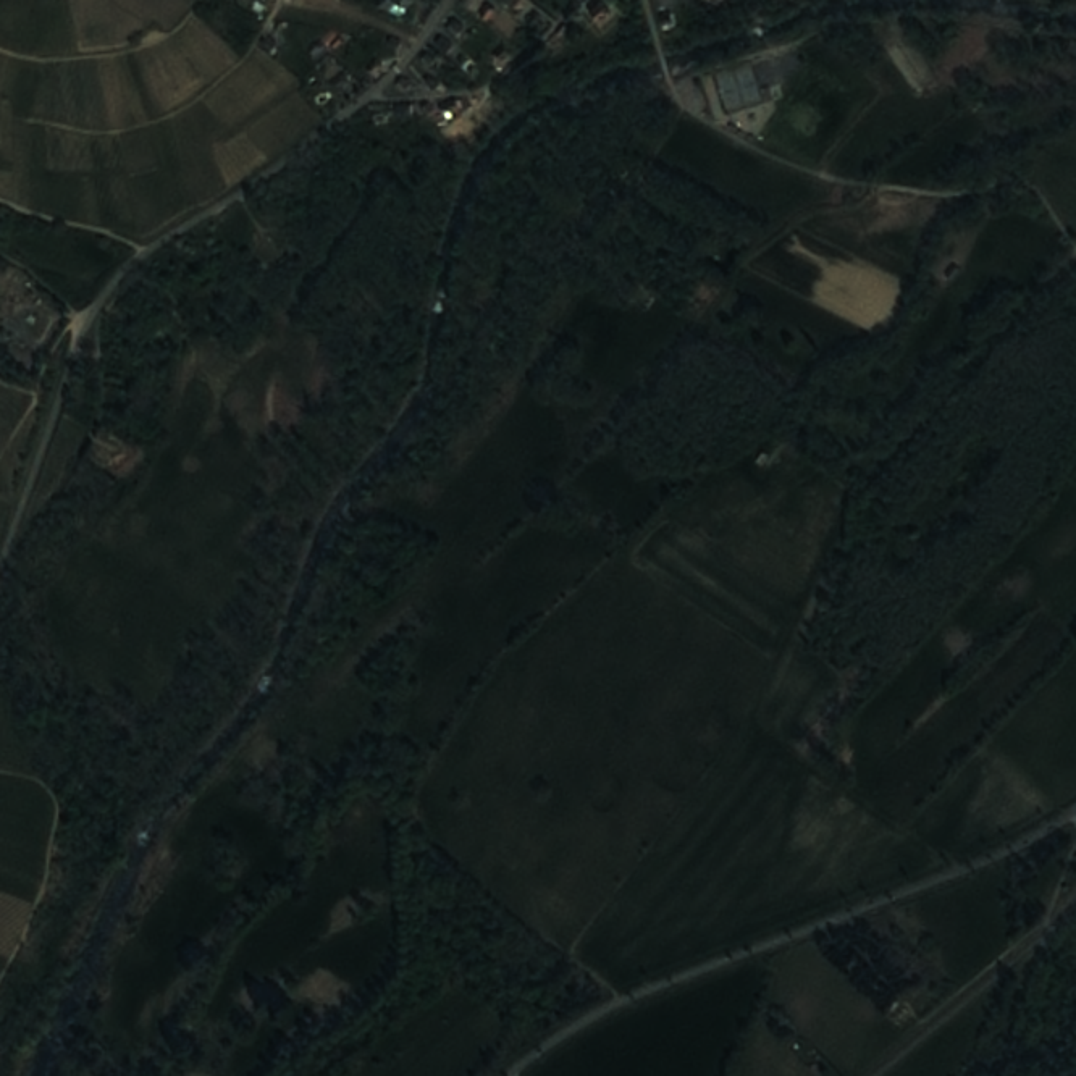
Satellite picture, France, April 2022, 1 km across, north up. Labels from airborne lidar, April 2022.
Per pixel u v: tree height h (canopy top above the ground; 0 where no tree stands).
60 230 10
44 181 0
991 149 17
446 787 0
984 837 0
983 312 20
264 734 0
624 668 0
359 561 19
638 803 0
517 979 22
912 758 0
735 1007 0
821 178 0
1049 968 15
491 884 0
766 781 0
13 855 0
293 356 0
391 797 27
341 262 20
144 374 18
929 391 22
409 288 34
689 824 0
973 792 0
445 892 25
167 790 16
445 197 22
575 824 0
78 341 0
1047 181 0
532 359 22
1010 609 0
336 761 0
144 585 0
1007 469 23
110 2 0
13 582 21
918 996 0
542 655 0
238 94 0
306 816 16
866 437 0
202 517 0
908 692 0
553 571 0
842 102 0
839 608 19
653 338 0
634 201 30
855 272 0
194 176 0
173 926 0
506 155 14
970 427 24
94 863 21
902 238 0
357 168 26
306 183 22
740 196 0
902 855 0
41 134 0
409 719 20
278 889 14
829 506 0
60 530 19
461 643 0
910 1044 0
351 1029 25
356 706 0
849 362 23
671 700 0
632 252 25
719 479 0
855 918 16
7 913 0
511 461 0
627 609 0
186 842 0
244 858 16
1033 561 0
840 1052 0
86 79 0
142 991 0
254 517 9
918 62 0
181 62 0
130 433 6
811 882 0
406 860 23
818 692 0
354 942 0
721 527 0
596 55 6
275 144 0
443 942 19
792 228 0
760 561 0
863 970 11
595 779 0
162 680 0
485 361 25
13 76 0
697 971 0
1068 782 0
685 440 25
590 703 0
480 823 0
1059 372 23
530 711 0
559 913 0
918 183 0
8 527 0
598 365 0
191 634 0
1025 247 0
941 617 17
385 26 0
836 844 0
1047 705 0
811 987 0
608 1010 0
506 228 29
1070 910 0
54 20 0
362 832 0
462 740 0
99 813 16
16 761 0
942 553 26
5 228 13
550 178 27
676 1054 0
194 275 17
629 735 0
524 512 0
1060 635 0
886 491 18
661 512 12
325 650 20
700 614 0
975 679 12
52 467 0
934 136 0
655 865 0
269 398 0
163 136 0
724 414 25
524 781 0
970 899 0
